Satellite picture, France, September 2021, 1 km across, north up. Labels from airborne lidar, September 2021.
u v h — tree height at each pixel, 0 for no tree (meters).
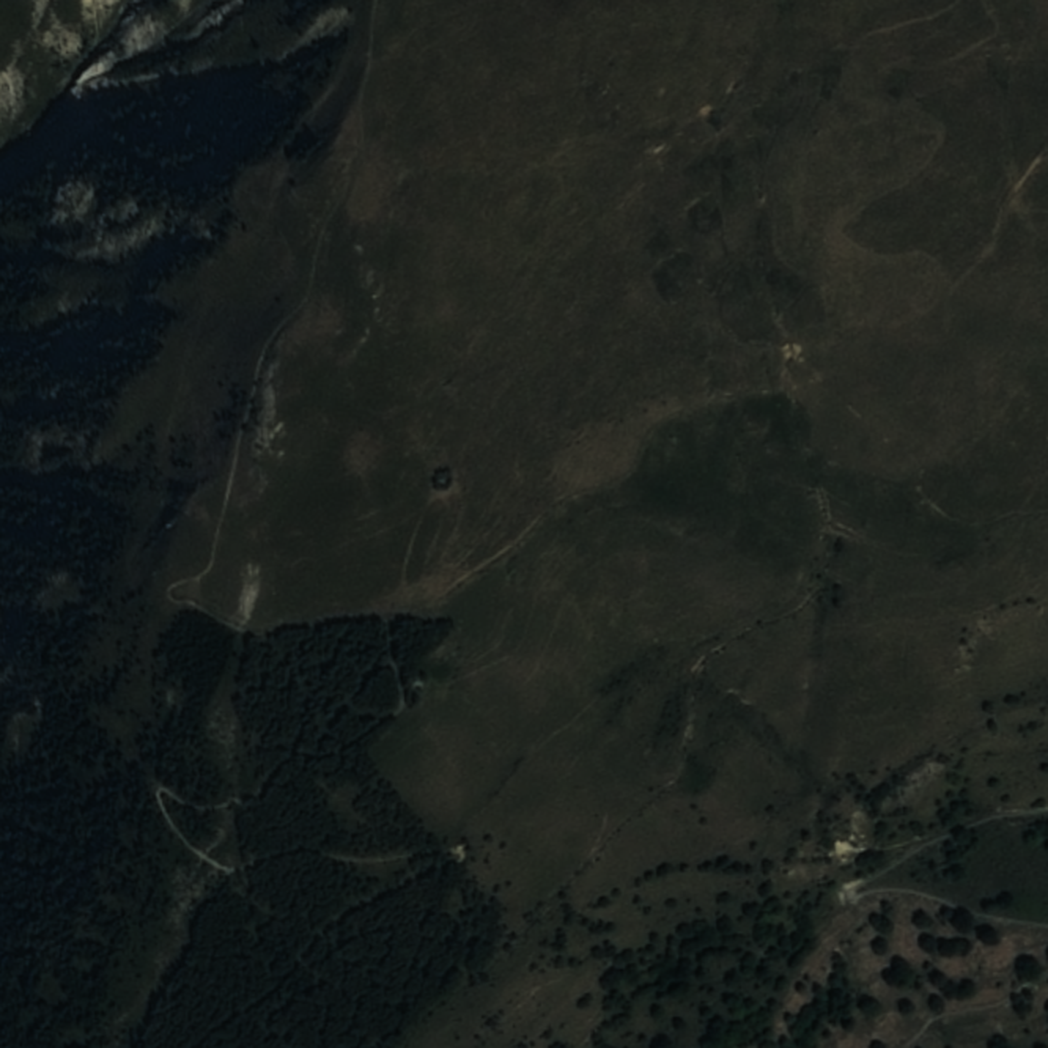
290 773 16
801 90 0
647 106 0
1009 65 0
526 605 0
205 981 16
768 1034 11
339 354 0
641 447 0
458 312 0
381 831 10
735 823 0
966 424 0
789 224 0
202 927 15
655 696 0
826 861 6
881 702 0
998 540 0
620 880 0
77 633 8
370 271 0
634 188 0
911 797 0
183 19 0
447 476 10
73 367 9
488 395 0
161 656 9
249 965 17
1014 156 0
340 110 0
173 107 7
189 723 6
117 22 0
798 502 0
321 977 15
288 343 0
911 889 0
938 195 0
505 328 0
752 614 0
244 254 0
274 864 15
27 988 13
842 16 0
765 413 0
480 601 0
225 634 6
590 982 0
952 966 0
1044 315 0
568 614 0
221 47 0
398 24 0
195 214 12
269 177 0
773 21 0
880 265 0
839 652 0
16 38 0
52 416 8
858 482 0
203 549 0
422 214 0
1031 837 12
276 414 0
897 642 0
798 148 0
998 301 0
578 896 0
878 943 9
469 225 0
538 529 0
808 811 0
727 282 0
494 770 0
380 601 0
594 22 0
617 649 0
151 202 8
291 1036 17
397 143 0
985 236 0
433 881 17
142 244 0
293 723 17
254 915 14
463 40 0
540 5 0
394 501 0
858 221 0
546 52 0
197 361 0
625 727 0
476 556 0
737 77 0
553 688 0
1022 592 0
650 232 0
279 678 13
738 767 0
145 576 0
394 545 0
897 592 0
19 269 9
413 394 0
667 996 11
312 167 0
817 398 0
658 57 0
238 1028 17
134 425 0
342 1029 21
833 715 0
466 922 16
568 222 0
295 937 18
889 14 0
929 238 0
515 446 0
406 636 16
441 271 0
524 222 0
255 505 0
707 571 0
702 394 0
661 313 0
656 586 0
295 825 16
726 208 0
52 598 0
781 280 0
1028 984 18
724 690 0
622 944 0
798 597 0
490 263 0
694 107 0
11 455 13
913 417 0
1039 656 0
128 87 0
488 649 0
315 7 11
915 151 0
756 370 0
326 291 0
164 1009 17
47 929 14
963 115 0
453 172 0
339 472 0
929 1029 0
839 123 0
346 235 0
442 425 0
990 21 0
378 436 0
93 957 12
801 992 13
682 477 0
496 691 0
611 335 0
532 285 0
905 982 13
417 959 20
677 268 0
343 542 0
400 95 0
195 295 0
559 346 0
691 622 0
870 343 0
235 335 0
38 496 15
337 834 12
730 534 0
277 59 0
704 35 0
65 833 15
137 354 12
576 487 0
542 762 0
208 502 0
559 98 0
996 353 0
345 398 0
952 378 0
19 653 12
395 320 0
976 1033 0
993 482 0
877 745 0
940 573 0
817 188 0
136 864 9
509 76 0
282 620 0
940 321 0
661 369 0
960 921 15
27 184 10
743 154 0
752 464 0
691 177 0
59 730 16
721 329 0
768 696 0
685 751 0
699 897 0
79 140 8
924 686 0
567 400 0
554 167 0
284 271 0
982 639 0
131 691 0
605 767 0
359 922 16
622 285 0
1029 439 0
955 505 0
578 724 0
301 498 0
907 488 0
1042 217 0
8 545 13
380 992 20
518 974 0
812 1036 13
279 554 0
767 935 10
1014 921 0
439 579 0
